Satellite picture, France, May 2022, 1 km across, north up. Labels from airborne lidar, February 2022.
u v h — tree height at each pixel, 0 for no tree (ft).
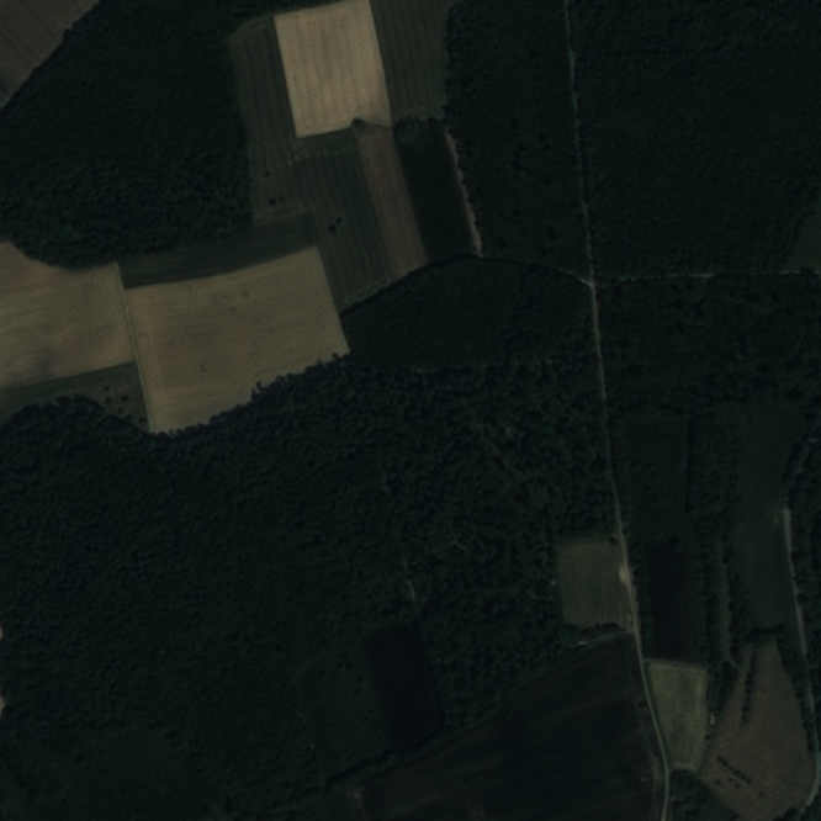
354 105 0
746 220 43
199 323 0
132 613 95
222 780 55
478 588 102
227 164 68
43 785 52
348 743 0
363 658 0
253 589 70
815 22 54
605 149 53
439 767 0
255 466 93
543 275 77
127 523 89
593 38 48
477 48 32
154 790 0
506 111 33
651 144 55
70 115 59
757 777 0
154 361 0
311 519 89
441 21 0
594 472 81
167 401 0
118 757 0
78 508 81
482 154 27
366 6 0
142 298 0
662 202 47
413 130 47
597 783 0
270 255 0
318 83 0
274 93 0
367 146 0
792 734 0
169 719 69
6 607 49
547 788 0
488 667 83
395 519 90
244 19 36
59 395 0
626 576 0
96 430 78
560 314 73
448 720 49
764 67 51
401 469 92
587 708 0
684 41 54
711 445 72
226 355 0
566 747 0
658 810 0
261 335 0
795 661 58
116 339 0
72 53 42
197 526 74
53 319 0
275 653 68
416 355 51
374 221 0
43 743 66
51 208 94
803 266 0
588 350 22
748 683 32
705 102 57
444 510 95
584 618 0
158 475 80
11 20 0
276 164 0
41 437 87
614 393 23
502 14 32
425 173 0
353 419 95
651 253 43
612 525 31
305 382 53
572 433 96
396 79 0
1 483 85
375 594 80
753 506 0
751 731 0
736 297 81
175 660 92
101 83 51
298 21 0
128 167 83
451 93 35
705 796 28
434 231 0
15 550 72
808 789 0
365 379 80
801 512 54
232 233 42
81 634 85
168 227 88
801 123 47
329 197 0
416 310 42
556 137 31
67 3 0
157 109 57
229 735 72
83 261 49
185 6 54
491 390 92
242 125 37
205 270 0
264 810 58
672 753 0
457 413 97
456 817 0
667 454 0
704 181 48
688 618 0
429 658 51
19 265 0
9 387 0
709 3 61
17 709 59
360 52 0
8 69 0
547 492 94
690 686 0
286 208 0
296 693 69
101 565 90
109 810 0
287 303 0
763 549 0
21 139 59
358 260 0
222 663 82
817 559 57
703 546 28
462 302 43
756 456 0
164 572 90
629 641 0
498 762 0
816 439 70
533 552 91
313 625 89
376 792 0
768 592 0
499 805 0
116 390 0
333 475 95
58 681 74
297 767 64
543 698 0
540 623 64
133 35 46
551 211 35
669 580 0
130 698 83
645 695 0
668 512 0
